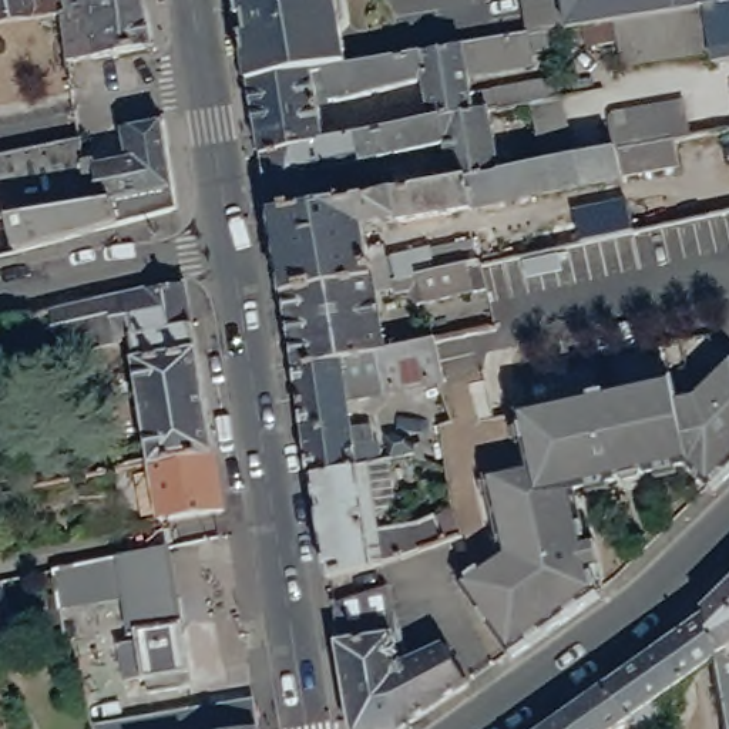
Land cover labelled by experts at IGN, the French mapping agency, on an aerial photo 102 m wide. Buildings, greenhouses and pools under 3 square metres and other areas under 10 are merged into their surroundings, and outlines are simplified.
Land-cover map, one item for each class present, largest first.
<instances>
[{"label":"impervious surface","instance_id":"1","mask_svg":"<svg viewBox=\"0 0 729 729\"><path fill-rule=\"evenodd\" d=\"M148 51L68 65L71 74L65 83L77 91V100H63L57 105L26 114H0V151L77 137L83 142V157H111L120 154V140L111 134L114 122L159 117L168 191L171 202H179V211L171 216L40 248L23 253L20 259L9 248L6 222H0V327L37 319L40 308L57 302H71L134 285L182 282L188 310L185 322H199L196 333L205 356L202 376L219 384L208 393V402L216 416L219 453L228 456L225 470H219L225 510L219 515L171 521V513H162L157 504L148 501V490L154 484L145 476L142 458H131L117 470V487L122 490L125 501L137 513L157 518L162 533L142 541H111L100 547L68 550L54 552L51 547H37L34 555H20V561H0V584H17L23 589V578L28 572H51V567L60 564L148 550L159 544L168 547L174 567L179 618L171 624V652L174 664L188 669V681L179 686L142 689L140 675H120L114 661V641H128L131 635L125 629H117V601L65 607V615L60 621V629L71 641L83 672V695L85 709L91 715L83 723V729H353V720H347L345 672L342 664L333 661V635L387 626L402 632V652L416 649L444 632L447 644L461 655V664H470L473 669V675L464 678V695L453 698L439 712L421 720L410 715L404 720V729H530L578 692L598 683L612 666L626 664L661 632L681 624L689 612L698 609V601L709 592V587L723 578V572H729V481L718 493H698V501L683 504L672 515L669 530L646 538L638 558H624L618 564V578L601 584L598 592L595 607L578 615L572 624L561 626L550 641H541L521 661H513L507 655L510 646L504 644V638H493V632L487 629L484 612L478 607L458 601L456 575L447 558L450 552L439 550L393 567L365 570L356 572L347 584H333L319 570V535L313 524L310 498V473L316 467L310 456L296 458V447L290 439L288 393L282 382L279 336L265 265L271 239L268 225L262 222V211L276 196H308L325 191L342 194L350 188H370L382 182H404L413 177L456 171L458 157L450 148H424L373 159H356L345 154L302 165H279L268 159L253 134V125L256 120L268 117V108H256V103L242 105V94L256 91V83L245 80V71L234 68L231 37H236V14L231 11V0H140ZM402 23L382 26L376 31L347 34V0H333V9L339 14L336 28L345 31V57H365L382 51L521 31L524 20L507 17V11H515V0H390ZM581 71L601 80L604 88L570 94L564 100V111L570 117L567 128L550 134H535L527 125L504 131L495 137V154L501 162H515L527 157L609 142L607 122L615 117V111L664 105L675 97L672 91H678L683 97L686 117L692 120V134L672 137L669 165L649 171H624L618 179V188L626 196V208L638 211V239L581 248V242H572L567 234L572 228L570 205H564L561 199H538L535 194H524L513 205H447L433 211L399 214V222L373 234L370 248L362 251L370 256L367 268L373 276V308L379 319H384V339L404 342L419 336H436L433 342L436 347H441V370L447 376L470 382V396L478 419L498 413L507 421H513L518 407L578 396L584 387H618L655 376H672L675 393H689L723 359H729V308L723 330L695 327L692 339L672 342L669 347H661V353L624 347L621 353L581 356V350L575 347L572 327H587L592 322H618L621 336L632 342L629 319L641 310H669L678 305H692L703 296H726L729 302V57H720L718 68L712 71L698 65H672L621 77L601 63L578 57L575 63ZM458 231H481L493 242V248L470 251V259L461 262L439 265L430 271H413L410 279H396L393 253L453 242L461 236ZM547 330L555 336L558 350L567 353V370L558 376L535 373L530 365L518 362V345ZM547 71L538 68L510 77L478 80L473 83V94L484 97L487 88L544 80ZM441 103H424L419 88L410 85L387 94H373L365 100L322 105V131H347L359 125H379L399 117L439 111ZM347 413H353V424H370L373 439H382L384 456L410 450V444L419 441L416 436H410V430H424L427 413H436V421H447V402L439 396V390H424L419 382L384 379L379 384V396L350 399ZM709 686L703 692L692 686L686 692V706L681 718V729H726L715 666L706 669Z\"/></svg>","mask_w":729,"mask_h":729},{"label":"building","instance_id":"2","mask_svg":"<svg viewBox=\"0 0 729 729\"><path fill-rule=\"evenodd\" d=\"M54 11V23L63 31V40L57 46L65 51L68 65L148 51L140 0H0V17ZM231 11L236 14V37H231L234 68L245 71V80L256 83V91L242 94V105L256 103V108H268V117L256 120L253 125V134L268 159L279 165H302L345 154L356 159H373L424 148H450L458 157L456 171L413 177L404 182H382L370 188H350L342 194L325 191L308 196H276L262 211V222L268 225L271 239L265 265L279 336L282 382L288 393L290 439L296 447V458L310 456L316 467L310 473V498L313 524L319 535V570L333 584H347L356 572L365 570L393 567L439 550L450 552L453 544L447 535L456 533V515L447 510L396 524H376L393 501L396 484L413 478L416 464L424 456L439 458V444L444 441L441 421H436V413H427L424 430H410V436H416L419 441L410 444V450L384 456L382 439H373L370 424H353V413H347L350 399L379 396V384L384 379L419 382L424 390H439L444 387L447 376L441 370V347H436L433 342L436 336H419L404 342L384 339V319H379L373 308V276L367 268L370 256L362 251L370 248L373 234L399 222V214L433 211L447 205H513L524 194H535L538 199H561L564 205H570L572 228L567 234L572 242H581V248L638 239V211L626 208V196L618 188V179L624 171H649L669 165L672 137L692 134V120L686 117L683 97L678 91H672L675 97L664 105L615 111V117L607 122L609 142L527 157L515 162H501L495 154V137L504 131L527 125L535 134H550L567 128L570 117L564 111V100L570 94L604 88L601 80L581 71L578 83L561 91L564 97L552 94V88L544 80L487 88L484 97L473 94V83L478 80L510 77L538 68V57L547 48V37L552 28H572L570 57L575 63L578 57L601 63V51L607 46H618L624 65L641 54H669L698 46H706L715 57H729V0H515V11H507V17L524 20L521 31L382 51L365 57H345V31L336 28L339 14L333 9V0H231ZM410 85L419 88L424 103H441L439 111L399 117L379 125H359L347 131H322V105L365 100L373 94H387ZM111 134L120 140V154L111 157H83V142L77 137L0 151V222H6L9 248L20 259L23 253L40 248L171 216L179 211V202H171L168 191L159 117L114 122ZM461 236L453 242L393 253L396 279H410L413 271H430L439 265L461 262L470 259V251L493 248V242L481 231H458ZM37 319L48 327H65L85 325L88 333L103 342V350H120V362L122 373L140 376L137 393L142 404V427L131 436L140 439L142 458L145 476L154 484L148 490V501L157 504L162 513H171V521L219 515L225 510L219 470H225L228 456L219 453L216 416L208 402V393L219 384L202 376L205 356L196 333L199 322H185L188 310L182 282L134 285L71 302H57L40 308ZM513 441L521 444L524 461L510 470L476 476L487 507V527L495 530L498 552L481 564L464 567L461 575H456L458 601L478 607L484 612L487 629L493 632V638H504V644L510 646L507 655L513 661H521L541 641H550L561 626L572 624L578 615L595 607L598 592L587 589L595 578V572L589 570V530H581V510H587V498L581 495V490H607L615 484L621 490H635L641 476H669L681 470L692 476L698 493H718L729 481V359H723L689 393H675L672 376H655L618 387H584L578 396L518 407L513 421ZM54 612L60 621L65 615V607L117 601V629H125L131 635L128 641H114V661L120 675H140L142 689L179 686L188 681V669L174 664L171 652V624L179 618L174 567L168 547L159 544L148 550L60 564L51 567V572ZM715 666L726 729H729V572H723V578L709 587V592L698 601V609L689 612L681 624L661 632L626 664L612 666L598 683L578 692L530 729H629L655 712L658 698L678 686L683 675H692V686L703 692L709 686L706 669ZM402 632L387 626L333 635V661L342 664L345 672L347 720H353V729H404V720L410 715L421 720L439 712L453 698L464 695V678L473 675V669L470 664H461V655L447 644L444 632L416 649L402 652Z\"/></svg>","mask_w":729,"mask_h":729},{"label":"deciduous trees","instance_id":"3","mask_svg":"<svg viewBox=\"0 0 729 729\"><path fill-rule=\"evenodd\" d=\"M572 28H552L547 37V48L538 57V68L547 71L544 80L552 88V94L564 97L561 91L578 83L581 71L575 63L570 57ZM26 103L46 97V74L37 65L28 77L17 80ZM729 308V302L726 296H703L692 305H678L669 310H641L629 319L632 342L621 336L618 322H592L587 327H572L575 347L581 350V356L621 353L624 347L661 353V347H669L672 342L692 339L695 327L723 330ZM518 362L530 365L535 373L558 376L567 370V353L558 350L555 336L547 330L518 345ZM28 504L51 510L43 478V470L34 467L31 456H6L0 447V561H20V555H34L37 547H51L54 552L68 550L65 544L74 535L71 524L20 521ZM450 487L444 478V461L439 458L424 456L416 464L413 478L396 484L393 501L376 524H396L447 510ZM68 476L77 493H105V507L88 510L77 533L83 538L105 535L111 541H142L162 533L157 518L137 513L125 501L122 490L117 487V470H97V461L71 458L65 464ZM581 495L587 498V510H581V530H589L595 527L604 544L612 547L618 558H638L646 538L669 530L672 515L683 504L698 501V493L692 476L681 470L669 476H641L635 490H621L615 484L607 490H581ZM23 609L14 612L0 632V729H31L26 701L20 689L11 683V672L34 675L46 669L51 675V706L57 712H65L68 718H80L83 723L91 715L85 709L83 695V672L71 641L60 629V621L54 612L51 572H28L23 578ZM629 729H681V718L655 712Z\"/></svg>","mask_w":729,"mask_h":729},{"label":"herbaceous vegetation","instance_id":"4","mask_svg":"<svg viewBox=\"0 0 729 729\"><path fill-rule=\"evenodd\" d=\"M347 34L376 31L382 26L402 23L390 0H347ZM63 40V31L54 23V11L0 17V114H26L57 105L63 100H77V91L65 83L71 74L68 65L65 51L57 46ZM37 65L46 74V97L26 103L17 80L28 77ZM65 327H48L37 319L0 327V347L6 356H31L46 345H57ZM103 376L114 384V419L131 436L142 427V404L137 393L140 376L122 373L120 362L108 367ZM439 396L447 402V421H441L444 441L439 444V458L444 461V478L450 487L447 510L456 515V533L447 535L453 544L450 552L447 558L456 575H461L464 567L481 564L498 552L495 530L487 527V507L476 476L510 470L524 461L521 444L513 441V421H507L498 413L478 419L470 396V382L447 376L444 387L439 390ZM51 510L28 504L20 521L71 524L74 535L65 544L68 550L100 547L111 541L105 535L83 538L77 533L88 510L105 507V493H77L68 476L43 478ZM589 570L595 572V578L587 589L598 592L601 584L618 578V564L624 558H618L612 547L604 544L595 527L589 530ZM23 589L17 584H0V632L14 612L23 609ZM11 683L20 689L26 701L31 729H83V723L80 718H68L65 712H57L51 706V675L46 669L34 675L11 672Z\"/></svg>","mask_w":729,"mask_h":729},{"label":"coniferous trees","instance_id":"5","mask_svg":"<svg viewBox=\"0 0 729 729\"><path fill-rule=\"evenodd\" d=\"M103 342L88 333L85 325L65 327L57 345H46L31 356H6L0 347V447L6 456H31L34 467L43 470V478L68 476L65 464L71 458L97 461V470H117L131 458H142L140 439L131 436L114 419V384L103 376L108 367L120 362V350H103Z\"/></svg>","mask_w":729,"mask_h":729},{"label":"brushwood","instance_id":"6","mask_svg":"<svg viewBox=\"0 0 729 729\"><path fill-rule=\"evenodd\" d=\"M720 57H715L706 46H698L669 54H641L624 65L618 46H607L601 51V63L621 77L672 65H698L712 71L718 68ZM692 686V675H683L678 686L658 698L655 712L681 718L686 706V692Z\"/></svg>","mask_w":729,"mask_h":729}]
</instances>
